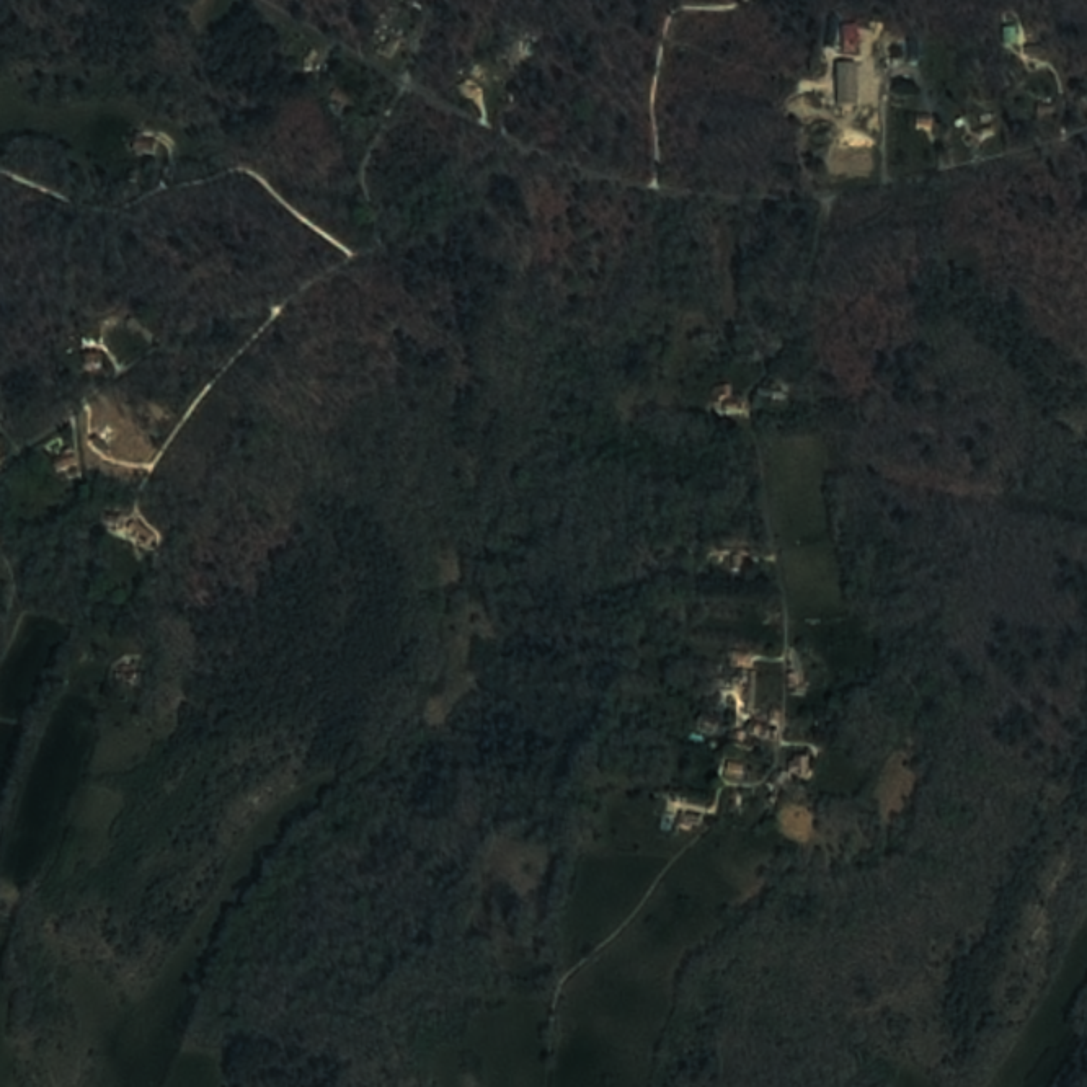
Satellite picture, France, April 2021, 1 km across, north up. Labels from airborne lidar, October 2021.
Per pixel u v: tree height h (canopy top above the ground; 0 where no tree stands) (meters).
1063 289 12
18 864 0
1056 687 20
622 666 18
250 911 23
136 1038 0
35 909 20
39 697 11
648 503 21
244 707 20
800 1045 19
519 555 24
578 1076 0
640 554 18
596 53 17
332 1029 19
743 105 13
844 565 12
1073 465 22
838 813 18
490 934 8
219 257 14
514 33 11
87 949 12
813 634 0
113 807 0
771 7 8
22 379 13
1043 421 17
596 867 0
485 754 8
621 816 0
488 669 15
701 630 8
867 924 22
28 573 19
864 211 11
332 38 19
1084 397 8
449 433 15
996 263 9
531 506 18
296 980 16
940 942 15
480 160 18
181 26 23
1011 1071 0
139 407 11
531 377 19
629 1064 0
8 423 13
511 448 20
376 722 15
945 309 27
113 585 22
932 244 18
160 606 19
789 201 13
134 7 26
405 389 23
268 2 12
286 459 22
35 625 0
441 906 17
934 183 18
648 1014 0
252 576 15
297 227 9
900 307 16
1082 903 22
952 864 20
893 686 18
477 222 18
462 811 13
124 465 0
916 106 0
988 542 14
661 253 12
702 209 15
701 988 13
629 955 0
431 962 26
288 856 14
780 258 16
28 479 20
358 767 15
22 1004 19
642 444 12
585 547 23
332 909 20
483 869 17
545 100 23
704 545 17
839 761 0
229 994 19
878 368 15
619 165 17
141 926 6
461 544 21
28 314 12
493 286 22
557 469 16
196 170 14
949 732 23
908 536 25
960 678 25
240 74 21
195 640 18
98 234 15
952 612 21
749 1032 13
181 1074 0
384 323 18
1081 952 0
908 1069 0
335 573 14
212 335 12
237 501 18
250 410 16
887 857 13
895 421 11
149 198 15
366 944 20
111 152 0
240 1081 25
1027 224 21
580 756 22
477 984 21
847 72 0
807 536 0
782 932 18
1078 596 23
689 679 11
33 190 6
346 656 17
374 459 17
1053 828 12
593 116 15
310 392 16
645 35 17
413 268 15
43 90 11
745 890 0
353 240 11
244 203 12
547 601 17
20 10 24
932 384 19
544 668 10
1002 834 17
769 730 0
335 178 14
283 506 16
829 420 6
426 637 22
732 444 13
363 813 20
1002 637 26
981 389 22
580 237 17
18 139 15
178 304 8
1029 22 10
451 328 15
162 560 20
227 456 17
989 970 17
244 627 27
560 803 13
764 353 14
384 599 19
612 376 22
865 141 0
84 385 7
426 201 19
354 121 15
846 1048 21
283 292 16
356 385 13
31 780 0
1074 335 9
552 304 21
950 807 25
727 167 13
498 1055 0
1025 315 26
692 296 19
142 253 25
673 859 0
